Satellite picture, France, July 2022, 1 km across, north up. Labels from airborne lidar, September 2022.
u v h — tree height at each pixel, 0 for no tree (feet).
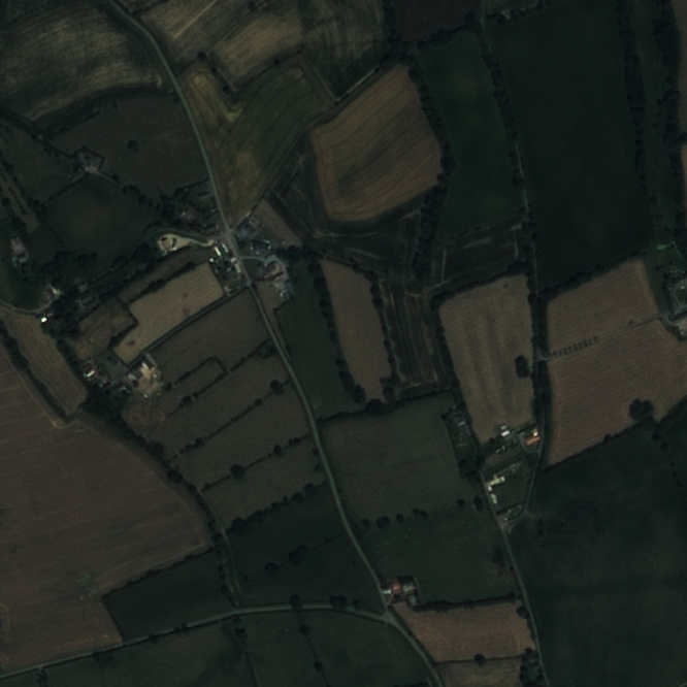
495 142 0
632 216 0
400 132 0
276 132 0
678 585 0
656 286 0
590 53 0
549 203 0
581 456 20
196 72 0
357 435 0
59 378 0
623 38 47
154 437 0
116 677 0
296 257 60
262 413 0
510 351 0
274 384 38
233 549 0
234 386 0
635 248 0
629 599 0
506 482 0
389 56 26
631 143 0
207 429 0
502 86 24
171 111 0
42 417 0
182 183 0
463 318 0
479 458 24
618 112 0
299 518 0
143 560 0
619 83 0
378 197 0
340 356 19
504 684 0
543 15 0
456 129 0
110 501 0
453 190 0
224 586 31
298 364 0
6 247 0
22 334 0
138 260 28
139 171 0
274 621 0
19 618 0
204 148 0
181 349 0
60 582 0
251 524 43
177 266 0
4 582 0
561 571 0
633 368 0
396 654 0
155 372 0
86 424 0
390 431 0
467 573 0
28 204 32
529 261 38
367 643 0
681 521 0
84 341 0
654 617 0
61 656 0
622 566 0
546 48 0
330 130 0
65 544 0
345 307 0
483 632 0
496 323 0
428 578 0
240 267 0
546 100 0
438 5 0
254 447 0
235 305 0
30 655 0
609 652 0
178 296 0
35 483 0
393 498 0
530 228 44
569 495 0
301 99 0
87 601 0
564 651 0
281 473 0
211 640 0
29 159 0
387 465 0
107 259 0
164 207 24
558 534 0
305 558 35
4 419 0
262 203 0
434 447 0
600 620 0
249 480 0
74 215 0
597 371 0
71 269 0
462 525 0
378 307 48
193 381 0
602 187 0
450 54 0
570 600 0
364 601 0
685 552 0
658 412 0
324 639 0
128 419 0
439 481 0
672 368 0
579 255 0
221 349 0
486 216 0
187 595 0
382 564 0
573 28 0
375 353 0
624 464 0
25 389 0
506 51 0
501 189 0
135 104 0
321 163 0
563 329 0
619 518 0
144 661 0
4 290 0
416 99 0
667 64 70
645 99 56
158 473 0
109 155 0
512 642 0
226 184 0
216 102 0
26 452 0
